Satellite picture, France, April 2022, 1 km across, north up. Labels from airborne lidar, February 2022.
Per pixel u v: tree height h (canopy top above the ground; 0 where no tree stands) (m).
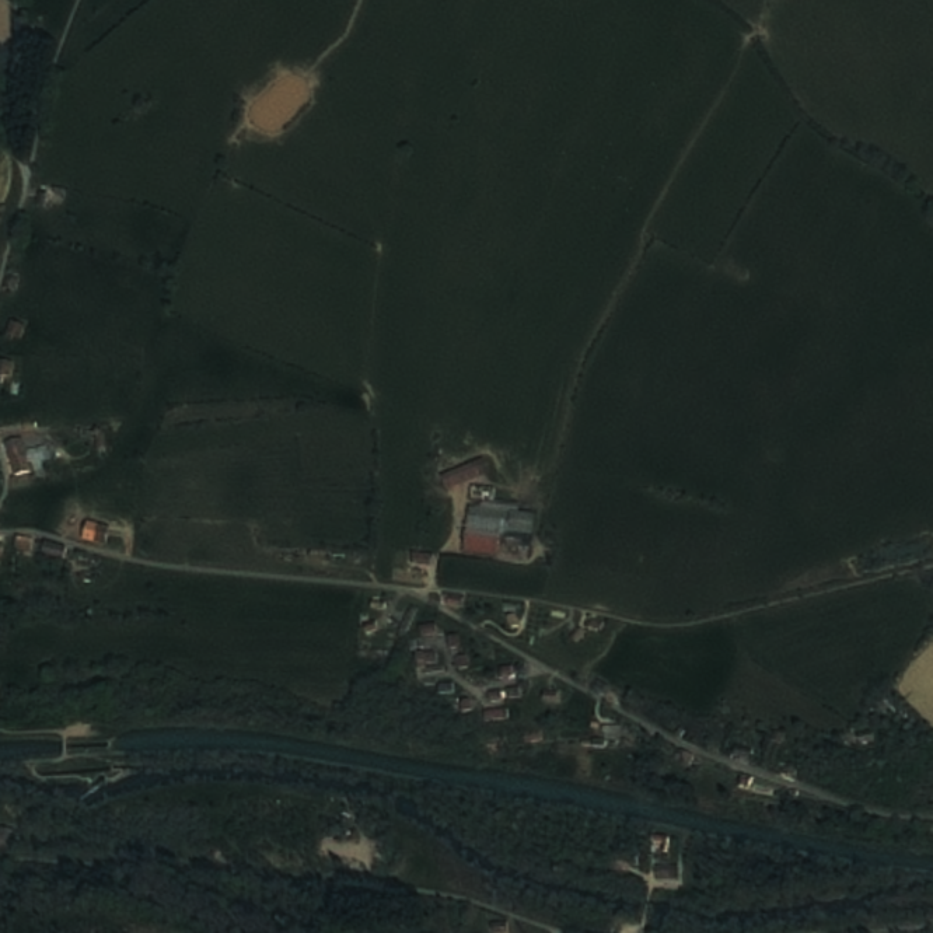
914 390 0
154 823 6
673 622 0
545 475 0
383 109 0
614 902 10
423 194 0
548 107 0
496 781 0
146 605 0
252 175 0
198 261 0
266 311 0
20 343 0
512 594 0
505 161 0
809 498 0
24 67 23
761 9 0
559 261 0
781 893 26
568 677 0
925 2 0
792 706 0
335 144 0
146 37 0
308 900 23
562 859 15
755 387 0
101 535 0
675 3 0
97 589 0
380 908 28
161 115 0
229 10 0
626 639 0
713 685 0
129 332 0
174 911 29
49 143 12
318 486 0
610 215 0
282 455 0
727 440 0
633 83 0
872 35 0
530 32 0
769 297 0
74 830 21
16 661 0
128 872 29
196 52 0
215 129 0
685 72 0
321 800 0
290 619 0
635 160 0
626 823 8
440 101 0
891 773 8
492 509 0
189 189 0
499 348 0
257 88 0
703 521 0
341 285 0
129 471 0
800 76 0
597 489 0
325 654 0
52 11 0
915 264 0
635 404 0
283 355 0
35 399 0
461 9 0
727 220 0
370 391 0
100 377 0
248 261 0
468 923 12
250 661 0
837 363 0
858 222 0
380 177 0
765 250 0
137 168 0
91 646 0
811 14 0
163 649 0
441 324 0
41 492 0
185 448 0
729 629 0
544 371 0
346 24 0
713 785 0
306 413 11
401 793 16
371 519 9
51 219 0
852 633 0
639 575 0
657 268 0
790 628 0
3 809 18
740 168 0
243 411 0
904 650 0
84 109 0
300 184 0
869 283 0
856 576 0
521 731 6
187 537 0
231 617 0
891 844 18
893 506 0
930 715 0
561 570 0
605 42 0
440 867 0
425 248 0
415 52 0
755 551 0
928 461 0
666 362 0
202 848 9
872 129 0
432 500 0
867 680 0
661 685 0
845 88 0
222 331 0
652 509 0
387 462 0
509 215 0
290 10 0
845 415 0
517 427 0
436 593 0
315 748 0
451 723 18
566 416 0
